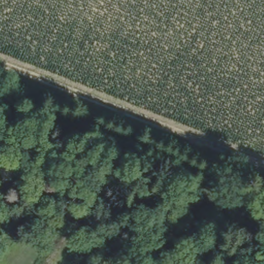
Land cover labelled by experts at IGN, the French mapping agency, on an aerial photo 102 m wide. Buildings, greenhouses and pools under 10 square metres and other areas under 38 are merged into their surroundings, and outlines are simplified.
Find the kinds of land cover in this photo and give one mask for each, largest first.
<instances>
[{"label":"deciduous trees","instance_id":"1","mask_svg":"<svg viewBox=\"0 0 264 264\"><path fill-rule=\"evenodd\" d=\"M72 93L56 84L54 79L43 76L31 77L30 74L15 68L7 70L5 64L0 61V264H4L11 254L20 250L15 242L29 243L32 249L44 257L53 253L55 239L61 238L67 239L72 251L85 253L89 264H264V171L260 174L251 172L249 164L246 163L249 157L244 153L224 151L216 156H209L203 145L185 139L159 123L155 126H144L121 114L95 111L93 104L86 100L73 103Z\"/></svg>","mask_w":264,"mask_h":264},{"label":"vineyard","instance_id":"2","mask_svg":"<svg viewBox=\"0 0 264 264\"><path fill-rule=\"evenodd\" d=\"M4 54L59 74L86 87L153 111L164 118L199 129L203 133L209 128L212 131H222L227 135L228 140L225 143L230 146L233 143L238 146H250L254 151L262 152L264 157V0H0V55Z\"/></svg>","mask_w":264,"mask_h":264},{"label":"pervious surface","instance_id":"3","mask_svg":"<svg viewBox=\"0 0 264 264\"><path fill-rule=\"evenodd\" d=\"M0 61L5 64L7 70L15 68L30 74L31 77L43 76L54 79L56 84L72 93L73 103L86 100L93 104L95 111L121 114L144 126H155L159 123L185 139L203 145L209 156H216L224 151L244 153L249 157L246 163L249 164L251 172L260 174L264 171V157L262 152L254 151L250 146H238L233 143L230 146L225 143L228 140L227 135L222 131H212L209 128L203 133L199 129L164 118L153 111L86 87L59 74L4 54L0 55Z\"/></svg>","mask_w":264,"mask_h":264},{"label":"herbaceous vegetation","instance_id":"4","mask_svg":"<svg viewBox=\"0 0 264 264\"><path fill-rule=\"evenodd\" d=\"M20 250L11 254L4 264H89L85 253L72 251L67 239L61 238L55 239L53 253L44 257L32 249L29 243L15 242Z\"/></svg>","mask_w":264,"mask_h":264}]
</instances>
